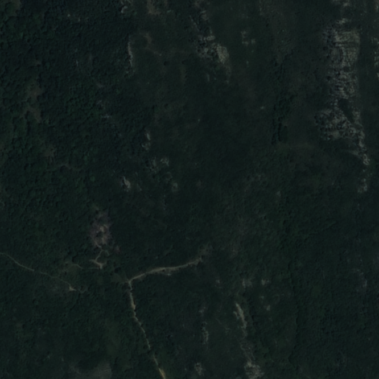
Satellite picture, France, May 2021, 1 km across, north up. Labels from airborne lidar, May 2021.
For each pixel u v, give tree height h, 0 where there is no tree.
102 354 6
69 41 18
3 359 7
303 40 7
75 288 7
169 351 7
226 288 7
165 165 6
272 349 7
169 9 8
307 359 8
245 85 0
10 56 17
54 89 18
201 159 7
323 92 6
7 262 10
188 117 7
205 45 8
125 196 7
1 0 6
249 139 6
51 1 11
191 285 6
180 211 7
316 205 6
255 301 6
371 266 6
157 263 7
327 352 8
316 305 10
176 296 6
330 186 6
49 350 6
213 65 6
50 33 26
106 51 9
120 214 7
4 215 7
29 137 18
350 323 6
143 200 6
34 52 23
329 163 8
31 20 20
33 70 22
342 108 6
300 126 6
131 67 6
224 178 8
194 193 8
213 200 10
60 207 16
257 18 5
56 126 17
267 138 6
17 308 7
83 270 6
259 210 16
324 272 8
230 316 6
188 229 8
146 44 8
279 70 8
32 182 12
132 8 6
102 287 10
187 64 8
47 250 6
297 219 7
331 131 15
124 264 9
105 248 16
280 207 8
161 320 7
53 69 17
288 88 7
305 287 8
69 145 15
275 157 6
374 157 9
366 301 11
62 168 12
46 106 12
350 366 7
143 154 11
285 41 8
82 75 13
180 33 7
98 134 12
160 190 5
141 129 7
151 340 7
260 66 6
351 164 6
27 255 7
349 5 0
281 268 6
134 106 13
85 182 10
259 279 8
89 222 7
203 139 5
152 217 7
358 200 8
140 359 7
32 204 12
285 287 8
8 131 10
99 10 17
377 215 6
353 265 7
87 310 10
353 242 5
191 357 6
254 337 8
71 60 11
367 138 6
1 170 6
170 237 8
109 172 6
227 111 6
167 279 6
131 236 9
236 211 6
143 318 11
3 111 16
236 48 6
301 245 13
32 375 7
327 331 7
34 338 8
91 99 18
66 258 10
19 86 17
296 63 7
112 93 9
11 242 7
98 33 16
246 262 13
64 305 7
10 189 13
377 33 0
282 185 7
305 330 8
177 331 6
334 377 6
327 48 13
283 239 7
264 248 11
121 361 8
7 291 7
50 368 6
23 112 8
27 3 23
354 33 0
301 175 7
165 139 5
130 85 7
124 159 7
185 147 6
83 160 12
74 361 5
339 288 7
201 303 6
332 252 5
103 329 6
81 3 8
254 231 13
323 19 5
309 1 8
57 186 13
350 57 0
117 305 10
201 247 10
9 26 25
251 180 17
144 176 7
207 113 6
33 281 8
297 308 8
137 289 7
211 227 7
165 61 7
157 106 12
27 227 9
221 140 6
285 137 20
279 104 7
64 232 7
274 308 7
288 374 8
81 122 8
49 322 6
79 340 8
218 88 7
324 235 10
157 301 6
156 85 6
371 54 7
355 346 6
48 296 6
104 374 0
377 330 6
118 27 19
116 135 6
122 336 6
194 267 7
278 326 8
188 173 8
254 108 5
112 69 13
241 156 7
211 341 8
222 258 7
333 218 10
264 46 6
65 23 21
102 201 10
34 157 8
